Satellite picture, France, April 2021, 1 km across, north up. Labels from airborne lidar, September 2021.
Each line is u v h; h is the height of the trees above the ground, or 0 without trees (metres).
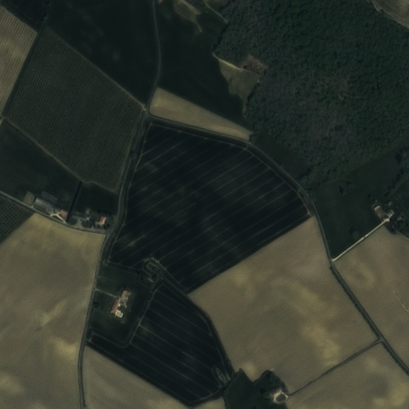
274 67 18
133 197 0
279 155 0
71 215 6
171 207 0
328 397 0
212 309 0
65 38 0
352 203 0
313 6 29
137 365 0
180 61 0
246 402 0
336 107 16
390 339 0
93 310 0
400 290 0
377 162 0
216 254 0
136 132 0
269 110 17
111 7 0
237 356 0
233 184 0
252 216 0
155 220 0
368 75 23
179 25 0
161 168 0
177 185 0
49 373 0
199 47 0
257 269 0
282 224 0
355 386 0
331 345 0
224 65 0
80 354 0
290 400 0
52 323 0
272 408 0
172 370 0
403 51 25
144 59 0
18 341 0
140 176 0
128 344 0
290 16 20
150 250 0
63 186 0
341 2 26
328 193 0
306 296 0
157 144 0
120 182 0
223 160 0
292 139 19
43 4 0
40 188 0
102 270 0
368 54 29
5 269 0
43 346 0
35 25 0
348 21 27
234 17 16
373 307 0
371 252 0
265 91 18
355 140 18
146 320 0
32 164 0
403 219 11
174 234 0
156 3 0
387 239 0
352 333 0
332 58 17
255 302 0
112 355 0
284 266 0
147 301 0
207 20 0
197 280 0
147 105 0
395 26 15
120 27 0
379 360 0
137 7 0
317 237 0
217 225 0
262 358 0
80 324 0
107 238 0
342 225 0
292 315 0
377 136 22
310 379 0
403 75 25
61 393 0
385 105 19
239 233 0
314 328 0
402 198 0
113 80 0
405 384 0
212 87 0
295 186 0
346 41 25
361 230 0
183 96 0
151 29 0
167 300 0
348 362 0
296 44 22
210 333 0
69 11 0
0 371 0
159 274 8
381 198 0
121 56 0
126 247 0
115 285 0
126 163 0
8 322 0
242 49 15
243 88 0
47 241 0
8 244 0
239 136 0
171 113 0
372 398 0
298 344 0
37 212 0
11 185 0
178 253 0
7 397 0
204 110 0
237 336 0
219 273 0
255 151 0
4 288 0
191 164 0
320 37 18
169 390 0
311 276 0
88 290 0
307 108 18
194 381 0
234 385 0
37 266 0
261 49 12
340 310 0
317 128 17
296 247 0
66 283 0
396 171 0
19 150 0
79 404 0
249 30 19
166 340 0
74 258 0
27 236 0
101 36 0
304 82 15
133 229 0
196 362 0
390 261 0
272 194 0
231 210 0
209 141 0
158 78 0
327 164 21
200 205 0
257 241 0
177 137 0
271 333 0
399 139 21
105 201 0
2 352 0
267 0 24
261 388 0
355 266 0
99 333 0
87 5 0
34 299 0
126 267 0
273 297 0
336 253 0
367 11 31
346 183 0
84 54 0
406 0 0
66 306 0
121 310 6
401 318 0
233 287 0
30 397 0
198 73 0
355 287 0
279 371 0
